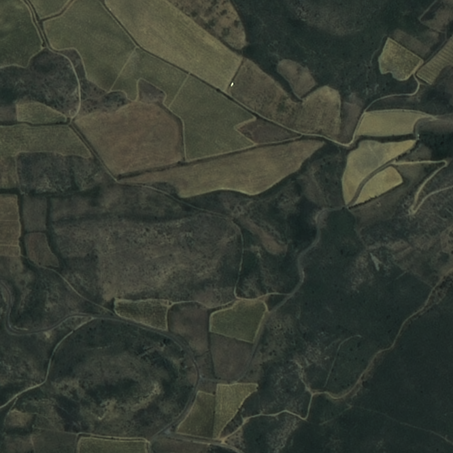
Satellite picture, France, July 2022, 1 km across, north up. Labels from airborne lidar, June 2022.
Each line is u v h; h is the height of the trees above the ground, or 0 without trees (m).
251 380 0
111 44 0
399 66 0
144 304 0
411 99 0
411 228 0
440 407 0
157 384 0
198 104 0
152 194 0
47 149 0
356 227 0
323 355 0
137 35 0
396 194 0
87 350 0
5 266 0
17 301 0
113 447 0
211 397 0
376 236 0
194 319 0
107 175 0
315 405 0
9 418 0
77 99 0
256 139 0
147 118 0
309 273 0
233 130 0
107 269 0
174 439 0
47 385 0
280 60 0
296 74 0
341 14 0
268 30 0
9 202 0
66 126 0
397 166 0
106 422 0
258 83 0
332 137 0
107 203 0
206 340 0
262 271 0
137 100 0
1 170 0
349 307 0
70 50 0
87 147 0
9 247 0
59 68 0
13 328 0
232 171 0
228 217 0
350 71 0
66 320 0
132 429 0
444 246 0
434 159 0
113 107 0
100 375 0
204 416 0
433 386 0
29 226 0
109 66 0
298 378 0
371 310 0
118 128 0
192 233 0
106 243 0
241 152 0
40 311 0
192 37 0
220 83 0
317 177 0
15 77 0
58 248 0
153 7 0
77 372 0
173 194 0
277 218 0
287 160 0
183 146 0
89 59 0
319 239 0
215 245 0
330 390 0
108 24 0
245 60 0
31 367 0
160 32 0
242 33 0
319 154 0
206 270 0
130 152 0
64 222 0
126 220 0
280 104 0
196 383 0
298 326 0
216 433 0
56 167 0
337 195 0
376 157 0
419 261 0
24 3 0
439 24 0
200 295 0
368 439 0
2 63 0
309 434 0
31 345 0
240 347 0
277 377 0
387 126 0
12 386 0
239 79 0
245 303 0
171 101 0
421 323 0
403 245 0
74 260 0
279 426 0
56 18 0
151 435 0
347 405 0
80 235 0
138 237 0
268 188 0
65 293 0
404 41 0
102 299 0
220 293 0
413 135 9
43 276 0
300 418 0
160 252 0
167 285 0
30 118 0
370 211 0
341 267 0
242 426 0
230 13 0
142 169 0
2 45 0
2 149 0
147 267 0
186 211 0
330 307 0
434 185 0
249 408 0
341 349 0
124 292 0
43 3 0
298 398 0
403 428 0
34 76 0
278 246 0
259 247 0
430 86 0
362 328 0
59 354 0
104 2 0
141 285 0
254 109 0
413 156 0
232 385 0
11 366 0
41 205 0
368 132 0
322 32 0
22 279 0
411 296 0
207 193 0
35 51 0
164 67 0
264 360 0
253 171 0
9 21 0
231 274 0
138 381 0
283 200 0
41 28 0
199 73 0
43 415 0
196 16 0
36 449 0
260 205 0
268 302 0
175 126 0
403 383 0
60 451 0
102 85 0
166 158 0
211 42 0
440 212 0
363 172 0
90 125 0
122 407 0
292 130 0
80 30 0
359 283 0
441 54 0
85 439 0
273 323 0
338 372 0
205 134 0
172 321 0
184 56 0
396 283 0
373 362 0
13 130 0
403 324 0
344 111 0
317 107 0
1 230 0
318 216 0
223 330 0
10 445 0
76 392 0
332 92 0
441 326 0
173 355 0
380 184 0
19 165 0
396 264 0
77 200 0
